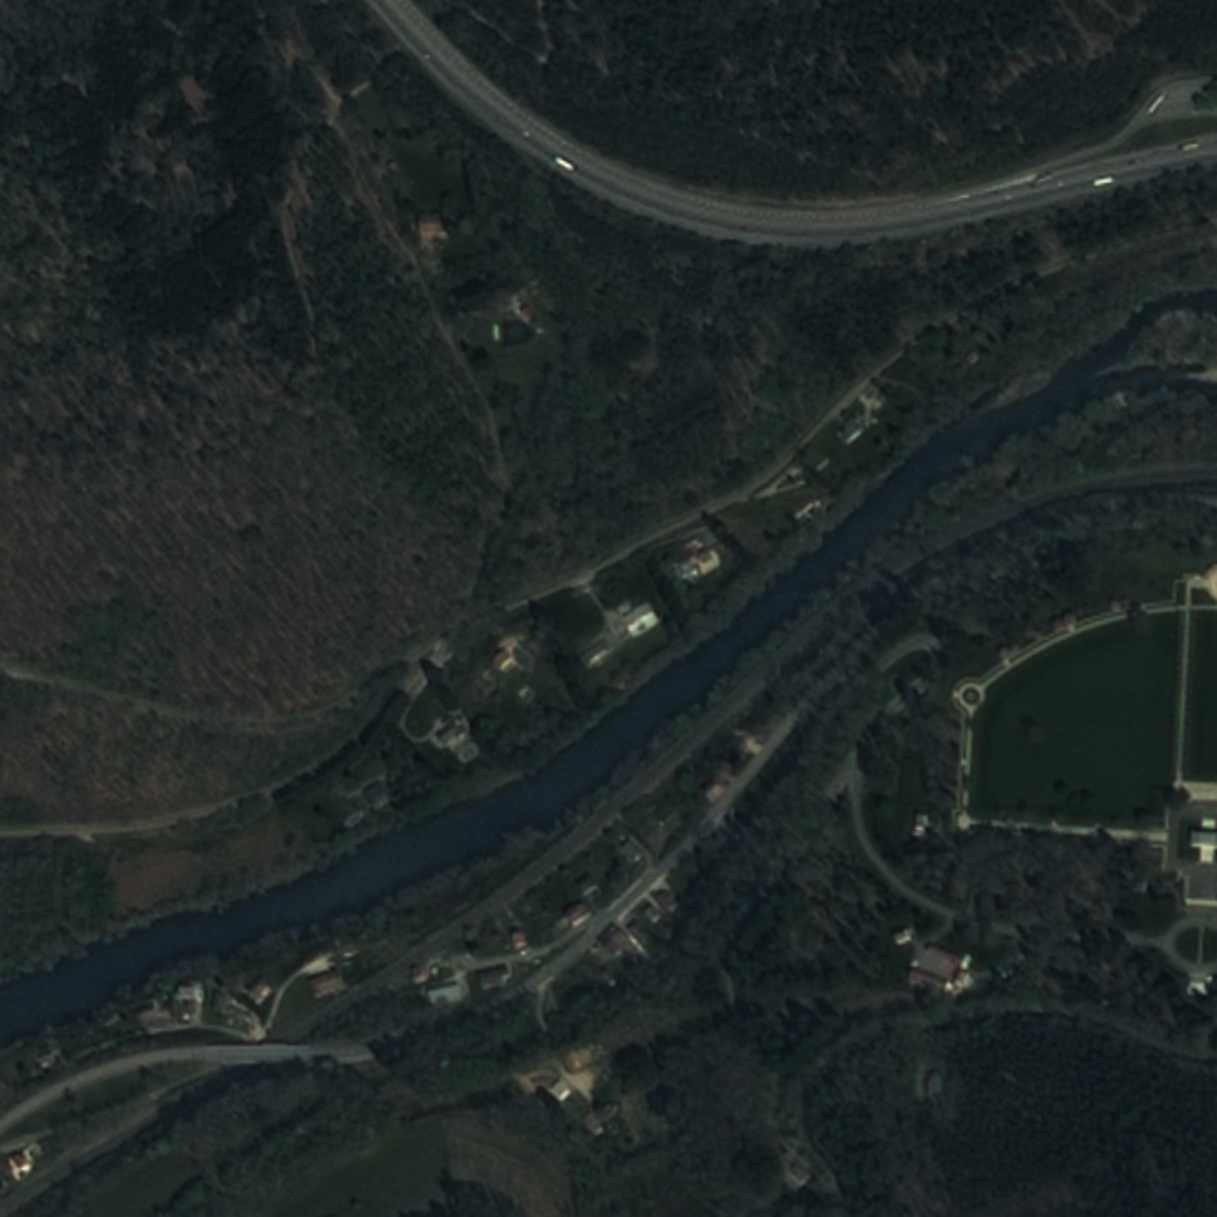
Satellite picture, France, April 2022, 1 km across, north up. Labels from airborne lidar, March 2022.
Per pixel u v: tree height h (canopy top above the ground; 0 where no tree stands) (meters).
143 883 0
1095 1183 14
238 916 0
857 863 7
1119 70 19
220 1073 0
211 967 21
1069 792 11
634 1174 23
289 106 24
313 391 20
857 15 30
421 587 25
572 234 7
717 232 0
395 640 26
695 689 0
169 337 16
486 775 21
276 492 28
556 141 0
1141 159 0
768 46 14
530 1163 0
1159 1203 20
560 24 14
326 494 28
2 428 25
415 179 0
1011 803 0
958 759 22
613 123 16
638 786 0
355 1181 0
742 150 12
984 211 0
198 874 0
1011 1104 27
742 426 22
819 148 22
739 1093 27
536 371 0
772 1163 28
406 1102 0
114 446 20
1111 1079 26
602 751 0
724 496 17
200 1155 23
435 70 0
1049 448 21
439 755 0
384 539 27
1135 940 0
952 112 28
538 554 22
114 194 19
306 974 0
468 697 18
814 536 23
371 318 19
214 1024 0
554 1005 0
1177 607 0
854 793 0
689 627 17
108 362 18
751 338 21
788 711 19
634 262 10
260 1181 23
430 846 0
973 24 33
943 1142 25
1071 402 0
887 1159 26
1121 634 0
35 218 19
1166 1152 31
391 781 6
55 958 18
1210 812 0
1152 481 0
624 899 0
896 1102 29
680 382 15
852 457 0
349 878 0
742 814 0
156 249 22
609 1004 15
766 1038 31
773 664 0
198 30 23
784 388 17
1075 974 23
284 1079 14
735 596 21
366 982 0
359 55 15
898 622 26
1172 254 0
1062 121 15
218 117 25
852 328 25
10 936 21
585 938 0
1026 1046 24
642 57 18
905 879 23
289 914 0
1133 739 0
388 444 12
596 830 0
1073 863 27
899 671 0
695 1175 10
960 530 0
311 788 20
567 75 16
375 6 0
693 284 8
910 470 0
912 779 0
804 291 20
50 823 15
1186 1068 23
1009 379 9
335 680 25
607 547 19
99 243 20
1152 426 24
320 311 21
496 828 0
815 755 16
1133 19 21
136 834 0
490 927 9
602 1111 14
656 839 0
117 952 0
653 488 19
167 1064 0
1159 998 20
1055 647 0
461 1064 19
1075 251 18
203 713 18
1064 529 14
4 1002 0
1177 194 17
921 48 29
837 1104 26
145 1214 0
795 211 0
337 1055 0
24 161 18
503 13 13
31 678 0
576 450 24
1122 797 0
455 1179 0
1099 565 26
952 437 0
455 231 24
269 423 22
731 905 32
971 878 25
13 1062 0
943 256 11
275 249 13
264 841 0
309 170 17
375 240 20
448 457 12
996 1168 26
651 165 12
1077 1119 24
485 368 21
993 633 26
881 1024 18
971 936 25
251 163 15
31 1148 0
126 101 15
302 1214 0
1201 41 23
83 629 25
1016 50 32
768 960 27
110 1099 0
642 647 0
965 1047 21
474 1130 0
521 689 0
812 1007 0
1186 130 0
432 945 0
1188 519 17
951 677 24
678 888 0
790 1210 18
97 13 23
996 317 20
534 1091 0
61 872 18
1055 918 30
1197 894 0
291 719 19
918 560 0
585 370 27
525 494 16
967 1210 18
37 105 11
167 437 25
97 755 0
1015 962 0
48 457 21
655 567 18
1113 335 16
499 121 0
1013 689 0
